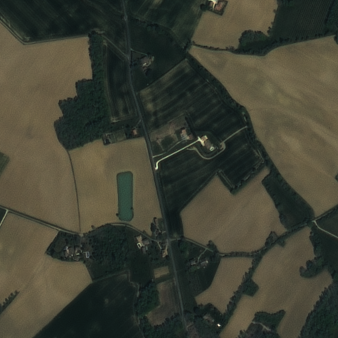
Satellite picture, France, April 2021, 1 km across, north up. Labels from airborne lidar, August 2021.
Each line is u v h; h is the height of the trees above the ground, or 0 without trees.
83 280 0
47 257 0
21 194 0
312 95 0
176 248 0
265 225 0
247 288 16
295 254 0
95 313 0
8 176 0
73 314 0
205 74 11
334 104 0
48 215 0
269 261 0
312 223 17
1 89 0
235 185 0
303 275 18
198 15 0
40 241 0
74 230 0
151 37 0
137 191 0
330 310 20
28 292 0
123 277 0
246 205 0
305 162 0
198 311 13
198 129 0
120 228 0
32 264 0
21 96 0
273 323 12
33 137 0
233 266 0
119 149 0
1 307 14
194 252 0
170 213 0
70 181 0
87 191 0
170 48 0
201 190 0
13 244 0
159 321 0
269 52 14
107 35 0
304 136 0
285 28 0
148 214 0
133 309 0
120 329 0
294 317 0
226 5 0
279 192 0
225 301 0
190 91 0
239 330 0
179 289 0
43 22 0
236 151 0
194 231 0
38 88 0
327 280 0
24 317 0
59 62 0
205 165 0
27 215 0
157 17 0
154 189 0
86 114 26
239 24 0
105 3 0
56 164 0
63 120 15
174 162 0
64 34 0
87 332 0
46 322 0
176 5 0
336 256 0
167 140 0
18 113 0
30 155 0
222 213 0
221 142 0
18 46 0
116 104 0
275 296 0
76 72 0
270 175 6
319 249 19
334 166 0
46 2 0
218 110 0
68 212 0
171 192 0
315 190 0
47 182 0
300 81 0
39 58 0
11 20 0
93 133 20
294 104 0
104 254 11
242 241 0
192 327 0
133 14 0
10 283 0
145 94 0
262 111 0
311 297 0
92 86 15
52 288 0
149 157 0
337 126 0
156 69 0
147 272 0
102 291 0
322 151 0
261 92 0
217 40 0
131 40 0
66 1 0
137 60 6
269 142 0
